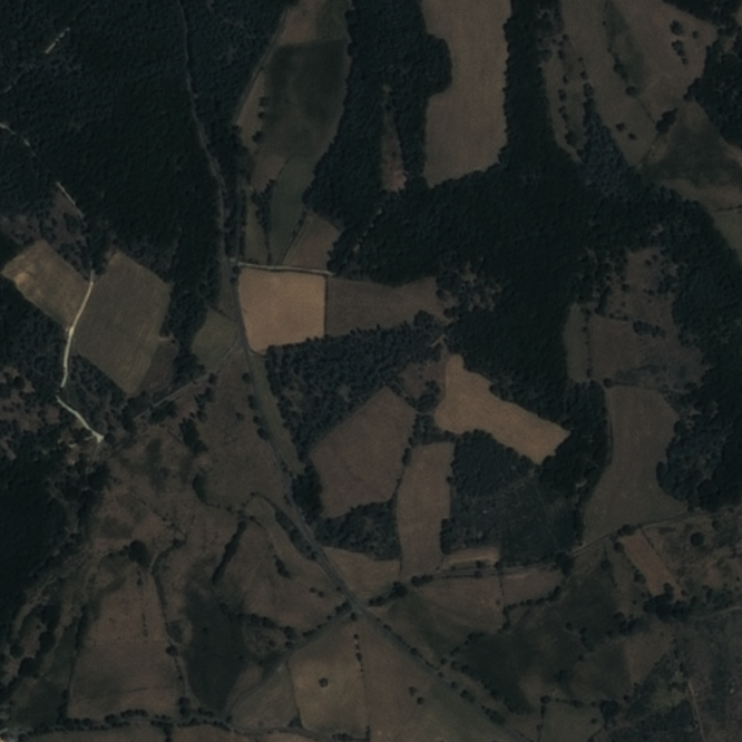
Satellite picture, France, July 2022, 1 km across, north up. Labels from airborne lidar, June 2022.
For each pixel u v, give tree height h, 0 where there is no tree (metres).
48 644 19
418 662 0
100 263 13
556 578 0
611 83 0
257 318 0
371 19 19
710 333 13
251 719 0
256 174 0
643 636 0
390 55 17
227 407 0
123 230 14
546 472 16
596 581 0
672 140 0
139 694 0
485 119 0
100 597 0
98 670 0
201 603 0
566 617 0
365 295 0
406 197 18
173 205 16
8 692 15
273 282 0
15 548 16
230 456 0
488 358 12
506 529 0
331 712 0
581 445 17
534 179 15
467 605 0
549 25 14
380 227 12
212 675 0
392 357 12
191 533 0
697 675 0
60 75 8
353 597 0
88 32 10
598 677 0
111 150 14
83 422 0
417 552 0
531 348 16
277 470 0
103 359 0
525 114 17
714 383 10
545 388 13
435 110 0
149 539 0
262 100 11
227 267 0
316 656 0
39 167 13
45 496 14
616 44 0
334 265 13
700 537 13
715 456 10
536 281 14
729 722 0
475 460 15
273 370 13
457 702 0
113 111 12
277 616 0
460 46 0
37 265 0
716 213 0
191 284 17
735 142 13
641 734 0
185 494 0
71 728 7
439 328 11
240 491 0
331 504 0
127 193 15
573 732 0
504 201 12
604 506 0
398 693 0
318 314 0
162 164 18
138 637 0
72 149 10
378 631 0
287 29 0
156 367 0
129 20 20
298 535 14
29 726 0
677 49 8
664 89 0
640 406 0
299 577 0
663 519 0
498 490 14
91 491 11
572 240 19
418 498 0
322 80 0
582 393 19
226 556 12
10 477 15
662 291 11
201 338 0
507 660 0
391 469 0
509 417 0
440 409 0
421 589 0
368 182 17
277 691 0
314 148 0
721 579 0
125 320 0
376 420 0
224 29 19
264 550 0
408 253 11
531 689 0
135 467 0
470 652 0
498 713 13
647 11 0
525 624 0
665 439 0
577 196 17
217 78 19
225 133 15
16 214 6
